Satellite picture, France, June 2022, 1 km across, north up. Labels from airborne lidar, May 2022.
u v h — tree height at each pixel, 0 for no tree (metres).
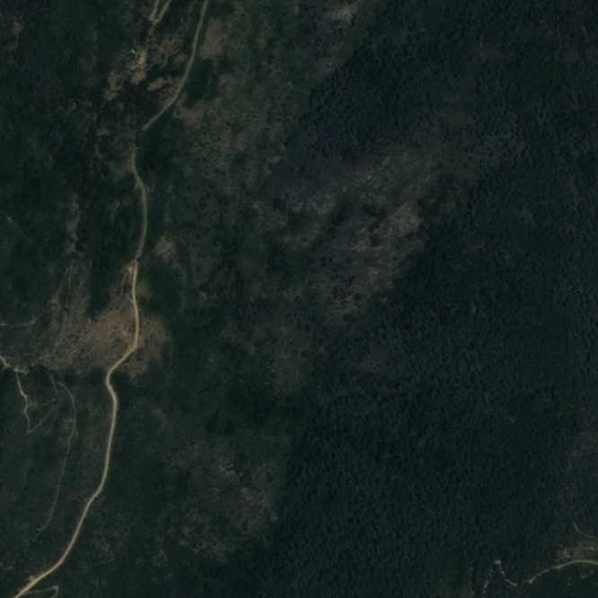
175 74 16
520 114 17
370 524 13
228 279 6
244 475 6
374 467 14
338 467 20
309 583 9
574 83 20
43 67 10
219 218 6
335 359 9
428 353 14
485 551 20
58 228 9
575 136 12
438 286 12
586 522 8
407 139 11
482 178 9
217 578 7
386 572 12
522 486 19
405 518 16
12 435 6
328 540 13
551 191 13
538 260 12
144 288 0
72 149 12
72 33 8
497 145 11
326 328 8
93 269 7
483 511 16
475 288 11
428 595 15
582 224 16
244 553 7
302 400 7
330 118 17
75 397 0
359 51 13
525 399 6
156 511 7
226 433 6
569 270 13
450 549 16
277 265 9
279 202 13
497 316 10
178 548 11
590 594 9
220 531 6
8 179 11
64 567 6
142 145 12
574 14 8
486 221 19
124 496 5
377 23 7
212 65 9
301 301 8
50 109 9
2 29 10
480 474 17
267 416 10
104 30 12
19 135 7
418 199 6
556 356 15
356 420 14
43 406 0
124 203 10
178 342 7
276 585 13
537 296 17
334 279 8
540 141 16
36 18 11
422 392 18
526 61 22
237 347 11
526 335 19
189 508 7
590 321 8
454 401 17
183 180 7
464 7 9
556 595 12
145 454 6
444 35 8
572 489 8
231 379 8
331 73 8
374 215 10
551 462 17
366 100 22
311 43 6
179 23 9
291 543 15
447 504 15
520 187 15
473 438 17
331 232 10
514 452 17
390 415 17
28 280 6
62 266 7
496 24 8
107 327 0
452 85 13
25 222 7
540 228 9
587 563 0
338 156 8
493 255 6
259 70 12
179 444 6
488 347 22
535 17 12
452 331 17
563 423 10
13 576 8
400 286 18
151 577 7
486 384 16
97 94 15
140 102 16
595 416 12
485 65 7
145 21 14
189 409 6
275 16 7
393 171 6
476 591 9
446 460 8
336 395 9
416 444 7
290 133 9
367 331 10
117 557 6
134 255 8
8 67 6
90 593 7
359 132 12
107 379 0
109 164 7
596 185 19
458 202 7
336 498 18
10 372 14
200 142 6
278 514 8
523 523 14
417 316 8
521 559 13
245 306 9
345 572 18
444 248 7
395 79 14
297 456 12
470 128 10
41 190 12
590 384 16
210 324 6
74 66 17
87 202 13
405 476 13
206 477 6
